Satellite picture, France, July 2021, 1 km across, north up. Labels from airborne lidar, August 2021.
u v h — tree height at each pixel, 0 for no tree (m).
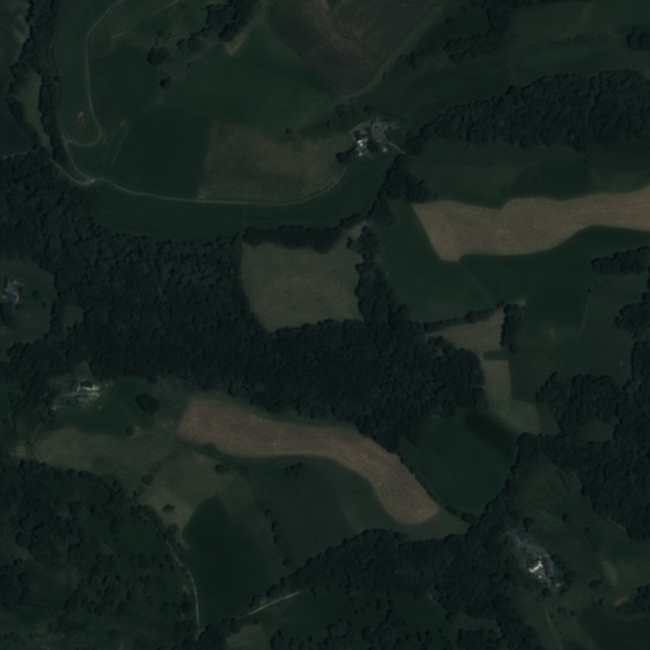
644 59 0
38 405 12
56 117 7
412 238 0
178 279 25
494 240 0
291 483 0
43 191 23
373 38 0
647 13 0
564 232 0
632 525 15
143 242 22
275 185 0
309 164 0
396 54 0
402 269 0
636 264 25
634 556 0
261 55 0
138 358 23
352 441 0
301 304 0
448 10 0
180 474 0
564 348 0
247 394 16
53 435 0
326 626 0
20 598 11
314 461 0
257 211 0
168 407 0
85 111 0
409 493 0
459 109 14
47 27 20
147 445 0
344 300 0
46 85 11
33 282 0
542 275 0
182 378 12
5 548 0
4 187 16
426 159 0
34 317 0
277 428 0
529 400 0
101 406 0
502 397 0
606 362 0
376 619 0
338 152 0
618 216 0
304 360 9
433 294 0
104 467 0
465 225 0
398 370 24
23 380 9
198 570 0
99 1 0
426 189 17
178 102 0
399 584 28
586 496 18
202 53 0
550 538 0
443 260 0
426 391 11
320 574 24
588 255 0
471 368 25
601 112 29
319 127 0
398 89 0
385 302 27
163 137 0
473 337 0
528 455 19
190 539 0
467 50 21
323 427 0
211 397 0
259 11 0
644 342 23
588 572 0
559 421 10
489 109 19
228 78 0
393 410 22
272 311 0
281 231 15
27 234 22
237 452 0
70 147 0
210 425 0
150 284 32
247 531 0
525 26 0
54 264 19
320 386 21
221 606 0
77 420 0
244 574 0
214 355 20
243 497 0
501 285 0
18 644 10
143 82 0
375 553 28
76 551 17
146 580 10
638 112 27
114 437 0
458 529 0
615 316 0
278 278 0
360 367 18
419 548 22
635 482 15
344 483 0
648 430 30
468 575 25
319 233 13
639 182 0
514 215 0
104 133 0
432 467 0
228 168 0
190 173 0
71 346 15
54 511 8
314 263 0
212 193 0
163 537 9
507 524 20
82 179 0
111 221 0
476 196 0
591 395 26
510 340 17
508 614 25
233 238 8
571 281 0
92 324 25
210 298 22
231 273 22
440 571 24
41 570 0
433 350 21
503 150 0
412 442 16
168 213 0
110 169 0
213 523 0
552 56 0
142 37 0
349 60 0
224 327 23
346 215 0
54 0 14
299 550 0
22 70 23
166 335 14
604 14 0
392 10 0
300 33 0
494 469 0
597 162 0
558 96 20
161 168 0
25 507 8
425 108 0
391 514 0
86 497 0
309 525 0
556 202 0
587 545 0
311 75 0
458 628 0
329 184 0
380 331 27
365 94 0
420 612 0
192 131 0
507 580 13
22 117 16
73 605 17
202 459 0
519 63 0
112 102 0
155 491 0
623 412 25
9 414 0
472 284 0
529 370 0
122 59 0
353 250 17
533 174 0
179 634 12
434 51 16
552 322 0
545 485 0
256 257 0
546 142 22
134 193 0
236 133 0
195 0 0
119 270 28
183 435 0
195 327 23
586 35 0
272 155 0
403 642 21
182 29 0
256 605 16
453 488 0
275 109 0
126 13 0
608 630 0
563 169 0
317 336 25
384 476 0
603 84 15
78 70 0
